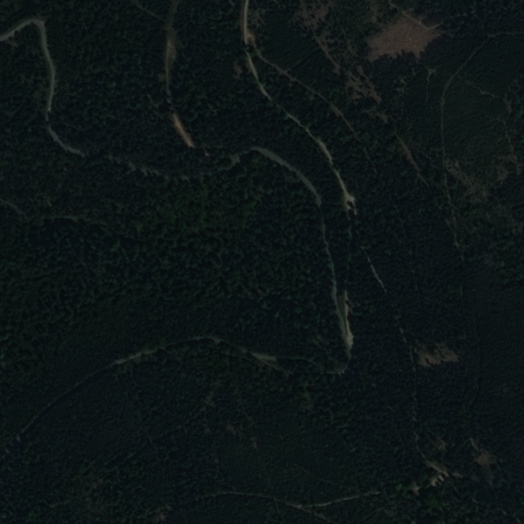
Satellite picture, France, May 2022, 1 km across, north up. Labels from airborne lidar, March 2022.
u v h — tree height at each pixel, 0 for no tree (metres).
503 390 20
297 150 21
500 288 15
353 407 22
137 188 27
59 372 18
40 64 7
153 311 17
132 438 21
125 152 28
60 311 15
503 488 20
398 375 23
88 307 13
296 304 21
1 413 14
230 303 20
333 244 20
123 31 14
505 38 9
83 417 18
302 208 14
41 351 12
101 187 32
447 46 18
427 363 0
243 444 7
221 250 29
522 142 6
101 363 20
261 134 23
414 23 0
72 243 38
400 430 24
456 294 23
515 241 15
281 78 12
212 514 8
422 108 6
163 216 17
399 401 25
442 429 22
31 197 28
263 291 29
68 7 8
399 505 30
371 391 22
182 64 26
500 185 8
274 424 7
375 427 29
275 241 11
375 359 25
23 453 20
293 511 6
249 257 38
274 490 8
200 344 11
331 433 7
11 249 14
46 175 23
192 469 20
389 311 25
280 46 10
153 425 16
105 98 16
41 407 18
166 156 12
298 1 10
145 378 19
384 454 20
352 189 25
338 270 27
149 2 7
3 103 19
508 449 23
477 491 7
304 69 10
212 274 36
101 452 14
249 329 18
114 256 37
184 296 24
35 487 28
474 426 26
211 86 15
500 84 7
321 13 0
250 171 24
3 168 31
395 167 22
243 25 0
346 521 8
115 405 20
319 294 22
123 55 13
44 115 0
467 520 27
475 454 7
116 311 17
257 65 8
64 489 6
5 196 28
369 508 8
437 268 23
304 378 26
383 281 21
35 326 13
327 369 25
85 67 7
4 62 16
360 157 22
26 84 8
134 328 20
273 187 32
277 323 27
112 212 13
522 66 9
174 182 20
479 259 12
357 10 6
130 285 13
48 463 25
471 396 21
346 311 0
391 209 23
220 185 20
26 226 15
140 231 26
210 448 20
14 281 36
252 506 7
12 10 7
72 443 23
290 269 15
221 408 12
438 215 23
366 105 20
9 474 30
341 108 15
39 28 0
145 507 19
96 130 38
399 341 20
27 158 26
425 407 18
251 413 12
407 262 25
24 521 15
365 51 17
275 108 23
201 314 26
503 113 8
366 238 16
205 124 26
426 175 20
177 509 23
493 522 14
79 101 12
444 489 9
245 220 15
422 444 20
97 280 30
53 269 28
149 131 23
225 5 8
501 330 17
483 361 18
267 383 10
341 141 21
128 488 22
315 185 24
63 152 17
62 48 7
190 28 15
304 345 30
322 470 7
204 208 25
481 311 16
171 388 9
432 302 18
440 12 16
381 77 18
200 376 12
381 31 10
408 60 13
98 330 18
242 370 13
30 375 14
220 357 17
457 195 7
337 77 10
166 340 19
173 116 0
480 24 21
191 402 12
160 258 31
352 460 6
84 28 10
